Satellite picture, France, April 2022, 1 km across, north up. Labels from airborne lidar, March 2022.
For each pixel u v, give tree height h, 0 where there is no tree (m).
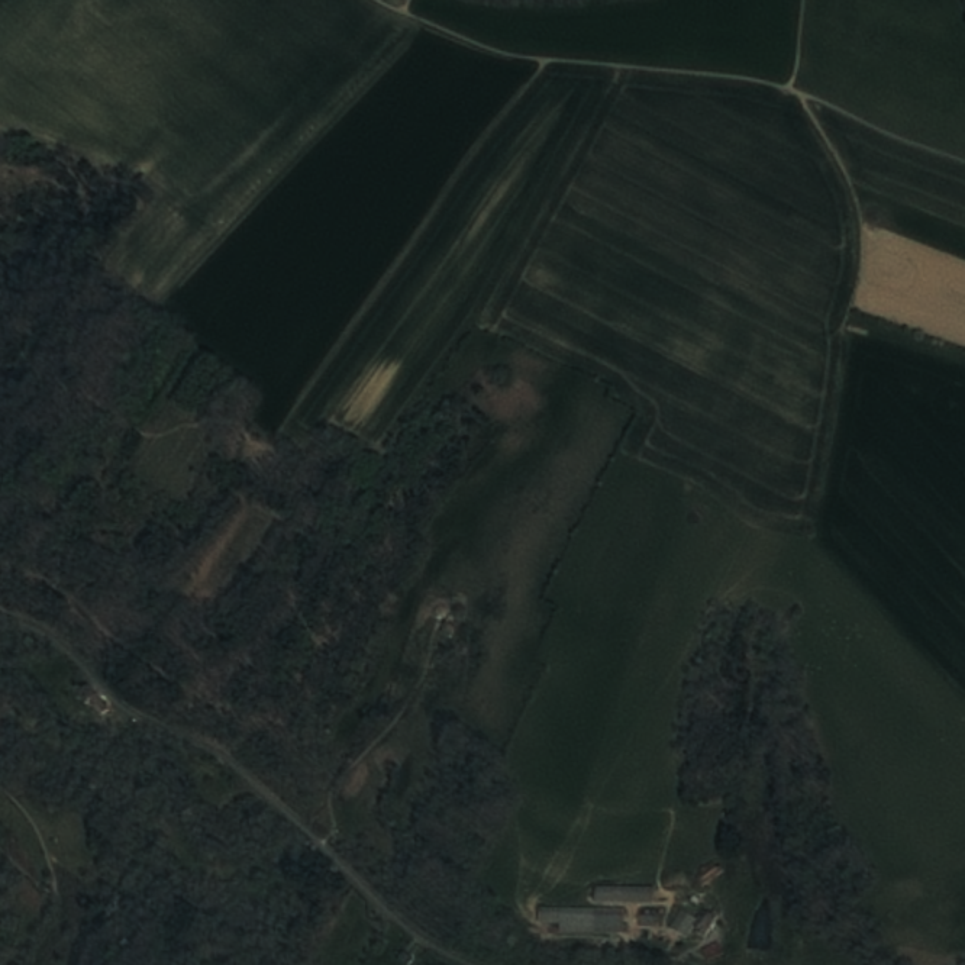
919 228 0
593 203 0
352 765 0
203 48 0
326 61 0
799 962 0
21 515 24
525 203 0
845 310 0
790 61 0
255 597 28
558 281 0
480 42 0
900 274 0
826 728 0
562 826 0
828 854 21
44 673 0
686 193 0
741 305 0
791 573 0
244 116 0
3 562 26
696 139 0
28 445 30
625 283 0
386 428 0
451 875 30
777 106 0
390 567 28
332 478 23
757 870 0
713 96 0
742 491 0
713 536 0
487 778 28
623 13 0
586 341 0
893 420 0
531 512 0
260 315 0
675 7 0
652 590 0
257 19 0
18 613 21
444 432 27
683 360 0
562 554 0
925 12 0
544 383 0
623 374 0
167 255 0
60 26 0
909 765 0
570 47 0
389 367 0
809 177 0
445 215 0
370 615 26
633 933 0
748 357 0
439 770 20
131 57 0
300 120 0
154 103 0
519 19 0
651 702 0
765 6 0
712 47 0
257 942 14
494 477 0
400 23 0
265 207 0
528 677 0
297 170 0
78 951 23
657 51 0
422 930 22
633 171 0
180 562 28
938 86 0
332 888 15
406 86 0
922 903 0
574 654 0
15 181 0
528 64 0
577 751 0
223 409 21
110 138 0
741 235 0
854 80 0
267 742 14
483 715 0
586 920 0
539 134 0
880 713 0
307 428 0
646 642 0
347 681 28
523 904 0
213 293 0
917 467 0
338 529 29
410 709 0
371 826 0
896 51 0
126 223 19
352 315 0
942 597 0
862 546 0
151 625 28
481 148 0
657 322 0
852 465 0
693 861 0
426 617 0
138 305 25
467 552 0
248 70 0
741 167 0
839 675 0
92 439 24
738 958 0
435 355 0
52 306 27
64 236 32
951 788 0
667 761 0
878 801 0
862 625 0
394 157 0
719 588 0
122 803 13
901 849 0
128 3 0
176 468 0
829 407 0
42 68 0
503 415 0
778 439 0
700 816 0
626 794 0
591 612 0
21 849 0
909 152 0
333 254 0
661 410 0
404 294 0
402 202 0
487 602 0
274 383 0
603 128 0
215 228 0
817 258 0
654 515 0
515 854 0
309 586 28
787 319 0
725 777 30
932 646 0
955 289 0
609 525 0
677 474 0
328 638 25
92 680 0
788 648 23
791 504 0
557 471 0
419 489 27
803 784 20
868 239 0
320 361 0
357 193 0
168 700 18
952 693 0
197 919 25
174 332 23
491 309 0
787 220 0
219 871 0
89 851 0
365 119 0
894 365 0
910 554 0
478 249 0
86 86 0
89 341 29
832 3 0
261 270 0
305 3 0
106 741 23
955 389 0
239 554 0
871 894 22
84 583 29
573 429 0
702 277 0
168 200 0
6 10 0
